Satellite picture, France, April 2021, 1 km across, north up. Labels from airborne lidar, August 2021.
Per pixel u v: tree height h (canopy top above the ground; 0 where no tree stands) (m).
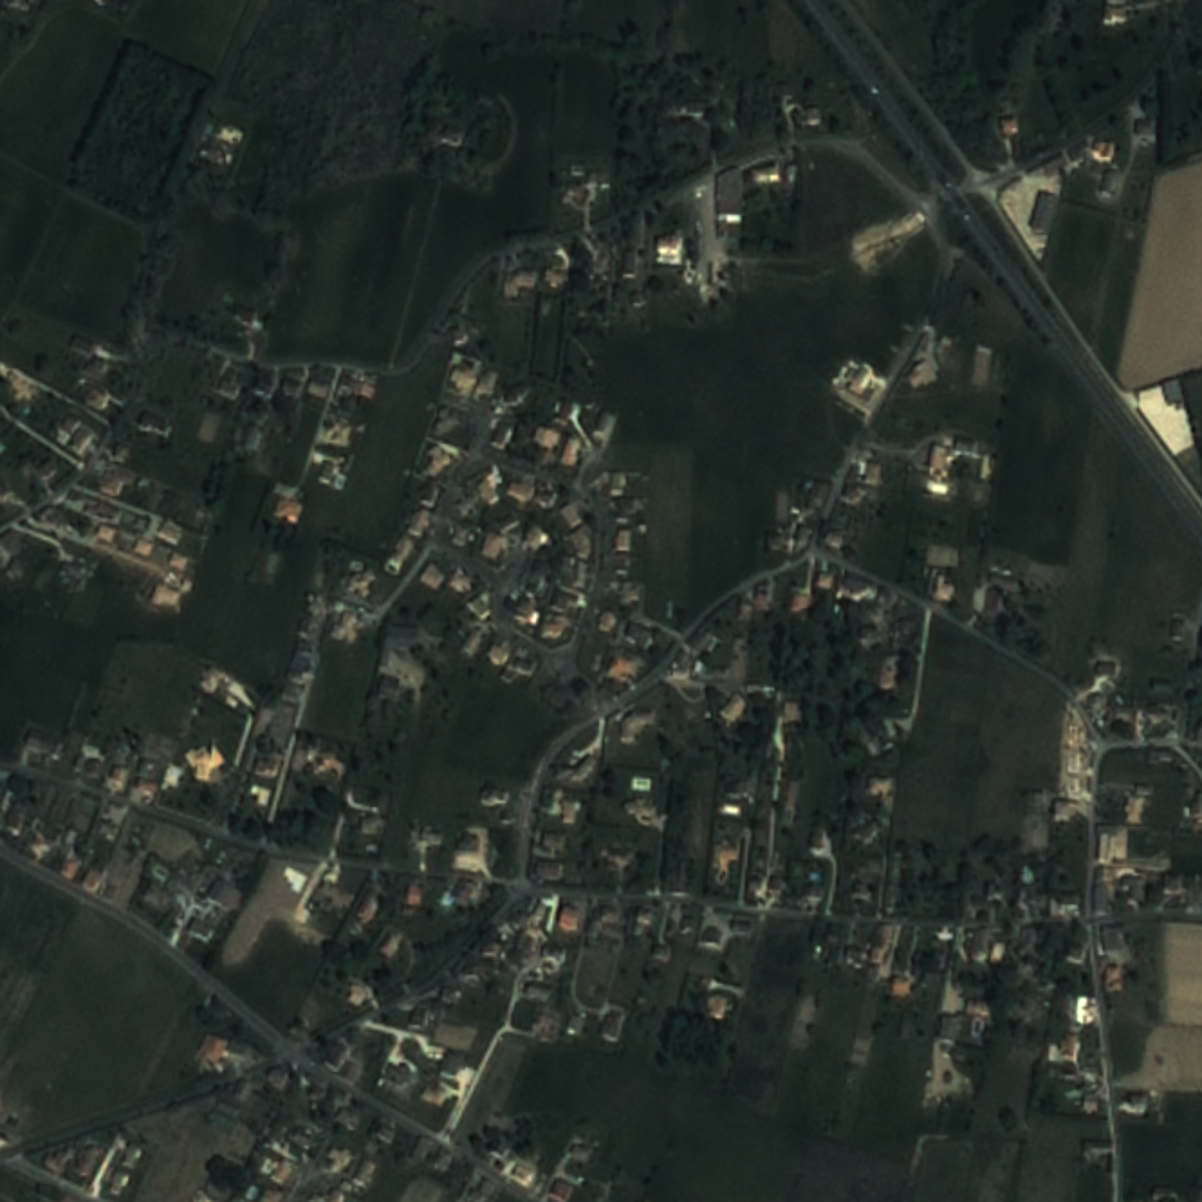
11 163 0
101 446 0
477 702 0
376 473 0
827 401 0
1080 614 0
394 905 11
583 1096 0
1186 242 0
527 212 0
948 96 12
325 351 0
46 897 0
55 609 0
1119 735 9
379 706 8
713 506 0
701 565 0
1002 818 0
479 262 0
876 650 7
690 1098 0
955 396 0
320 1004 0
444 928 0
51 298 0
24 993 0
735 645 0
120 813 0
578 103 0
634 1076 0
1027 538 0
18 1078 0
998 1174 0
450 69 0
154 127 9
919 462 0
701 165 7
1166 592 0
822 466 0
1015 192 0
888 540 0
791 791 0
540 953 0
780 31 0
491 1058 0
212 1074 7
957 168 13
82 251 0
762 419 0
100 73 0
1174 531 0
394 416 0
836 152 0
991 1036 6
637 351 0
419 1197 0
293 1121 7
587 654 0
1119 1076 0
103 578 0
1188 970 0
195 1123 0
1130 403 0
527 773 0
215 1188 11
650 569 0
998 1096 0
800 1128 0
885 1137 0
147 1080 0
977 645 0
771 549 6
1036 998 0
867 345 0
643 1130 0
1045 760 0
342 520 0
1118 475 0
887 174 0
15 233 0
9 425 8
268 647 0
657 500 0
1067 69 14
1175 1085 0
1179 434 0
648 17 0
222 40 0
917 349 0
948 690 0
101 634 0
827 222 0
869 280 0
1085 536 0
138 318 20
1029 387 0
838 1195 0
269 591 0
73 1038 0
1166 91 14
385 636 7
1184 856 0
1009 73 20
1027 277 10
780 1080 0
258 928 0
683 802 8
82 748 0
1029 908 6
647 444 0
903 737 16
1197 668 8
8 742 0
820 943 7
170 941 0
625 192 7
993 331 0
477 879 0
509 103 0
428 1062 0
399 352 0
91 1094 0
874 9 0
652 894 0
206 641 0
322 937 0
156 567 0
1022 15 0
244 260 0
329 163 8
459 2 0
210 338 9
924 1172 0
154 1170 0
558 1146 0
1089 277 0
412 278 0
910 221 0
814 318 0
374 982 6
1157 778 0
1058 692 0
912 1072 0
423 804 0
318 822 15
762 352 0
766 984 0
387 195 0
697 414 0
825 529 6
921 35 0
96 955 0
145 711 0
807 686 10
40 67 0
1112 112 0
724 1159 0
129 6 13
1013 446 0
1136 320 0
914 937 0
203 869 0
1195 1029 0
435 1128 0
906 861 11
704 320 0
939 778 0
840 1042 0
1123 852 0
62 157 0
